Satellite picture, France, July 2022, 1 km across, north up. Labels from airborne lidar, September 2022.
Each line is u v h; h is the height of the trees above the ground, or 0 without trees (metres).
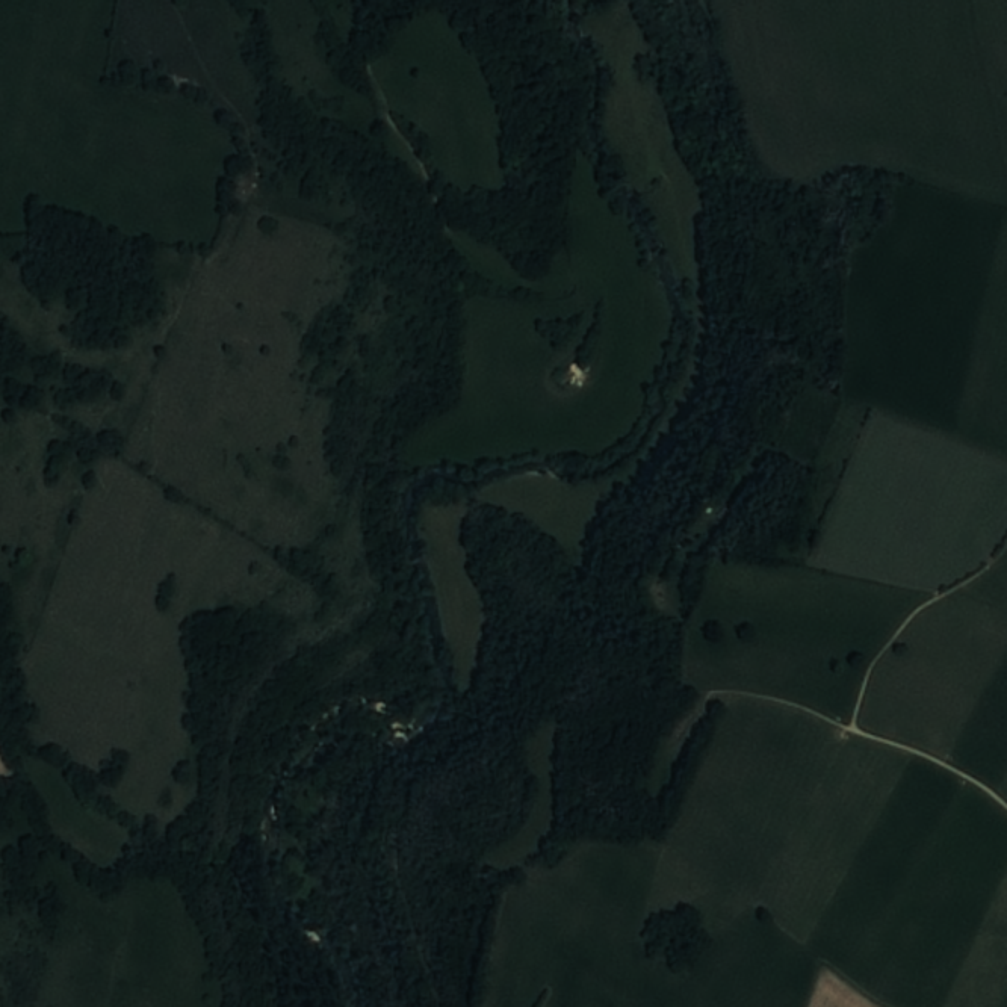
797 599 0
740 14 0
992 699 0
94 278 14
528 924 0
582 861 0
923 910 0
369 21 24
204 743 15
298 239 0
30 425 0
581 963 0
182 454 0
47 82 0
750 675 0
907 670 0
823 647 0
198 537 0
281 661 7
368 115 0
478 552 14
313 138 14
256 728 14
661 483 36
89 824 0
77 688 0
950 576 0
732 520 19
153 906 0
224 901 11
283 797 17
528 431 0
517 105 20
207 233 0
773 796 0
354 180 13
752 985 0
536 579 7
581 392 0
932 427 0
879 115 0
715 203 21
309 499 0
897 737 0
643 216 13
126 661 0
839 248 10
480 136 0
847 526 0
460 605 0
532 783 16
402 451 17
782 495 26
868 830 0
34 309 0
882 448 0
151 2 0
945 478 0
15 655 16
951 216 0
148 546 0
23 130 0
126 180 0
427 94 0
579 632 14
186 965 0
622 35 0
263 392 0
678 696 16
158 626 0
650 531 24
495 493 0
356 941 9
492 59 18
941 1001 0
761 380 23
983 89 0
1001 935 0
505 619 18
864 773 0
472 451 0
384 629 8
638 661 18
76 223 20
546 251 11
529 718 11
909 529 0
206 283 0
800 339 11
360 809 11
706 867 0
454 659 11
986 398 0
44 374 8
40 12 0
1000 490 0
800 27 0
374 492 21
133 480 0
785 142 0
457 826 13
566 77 22
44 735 0
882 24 0
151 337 0
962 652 0
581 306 0
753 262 12
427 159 20
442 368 16
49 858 10
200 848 13
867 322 0
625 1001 0
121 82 12
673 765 0
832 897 0
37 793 14
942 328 0
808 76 0
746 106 10
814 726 0
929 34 0
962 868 0
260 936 13
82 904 0
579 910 0
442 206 13
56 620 0
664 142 0
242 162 15
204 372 0
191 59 0
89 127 0
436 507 6
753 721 0
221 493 0
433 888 14
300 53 0
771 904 0
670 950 10
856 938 0
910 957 0
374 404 13
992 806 0
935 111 0
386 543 15
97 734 0
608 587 24
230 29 0
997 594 0
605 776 22
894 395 0
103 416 0
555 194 26
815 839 0
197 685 18
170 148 0
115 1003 0
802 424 0
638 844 17
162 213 0
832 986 0
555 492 0
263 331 0
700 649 0
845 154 0
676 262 0
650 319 0
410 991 20
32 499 0
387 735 8
